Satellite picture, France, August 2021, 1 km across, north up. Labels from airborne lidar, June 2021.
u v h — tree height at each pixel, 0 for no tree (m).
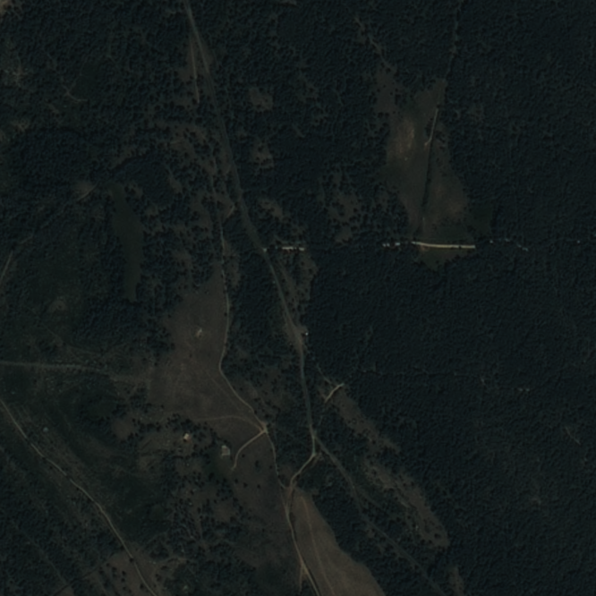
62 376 0
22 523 10
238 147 11
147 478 0
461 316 10
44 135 19
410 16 8
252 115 9
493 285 10
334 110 14
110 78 9
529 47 8
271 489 0
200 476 8
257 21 10
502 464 8
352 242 12
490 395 6
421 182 0
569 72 6
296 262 9
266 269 9
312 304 10
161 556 8
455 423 13
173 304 9
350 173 8
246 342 7
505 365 9
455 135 6
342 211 7
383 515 10
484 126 9
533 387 8
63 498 0
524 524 10
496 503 8
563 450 7
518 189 10
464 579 8
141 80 8
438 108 7
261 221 9
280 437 8
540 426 8
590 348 9
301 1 11
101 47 11
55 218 8
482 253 13
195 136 12
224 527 10
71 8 9
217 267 0
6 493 9
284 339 8
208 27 9
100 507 0
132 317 8
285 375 8
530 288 11
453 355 10
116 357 0
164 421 0
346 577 0
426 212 0
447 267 11
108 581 9
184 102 0
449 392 9
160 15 9
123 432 0
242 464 0
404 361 9
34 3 11
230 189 9
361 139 12
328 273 13
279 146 12
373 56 10
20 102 6
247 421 0
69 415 0
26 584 9
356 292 12
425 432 16
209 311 0
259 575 0
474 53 9
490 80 9
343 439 12
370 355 12
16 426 0
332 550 0
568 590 10
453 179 0
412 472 10
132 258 0
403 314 10
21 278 6
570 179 9
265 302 8
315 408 8
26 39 11
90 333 9
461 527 10
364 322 10
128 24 12
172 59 12
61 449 0
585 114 10
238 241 9
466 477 12
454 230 0
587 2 8
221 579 11
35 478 7
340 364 15
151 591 0
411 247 11
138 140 9
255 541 0
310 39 14
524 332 12
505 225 6
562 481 6
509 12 14
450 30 12
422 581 9
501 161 10
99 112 9
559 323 15
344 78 12
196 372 0
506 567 16
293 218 11
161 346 9
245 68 7
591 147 10
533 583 14
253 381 8
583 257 15
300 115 13
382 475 0
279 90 11
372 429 0
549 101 10
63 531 10
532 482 6
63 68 10
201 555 10
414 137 0
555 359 9
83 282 10
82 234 8
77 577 7
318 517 0
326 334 13
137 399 7
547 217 9
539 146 10
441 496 12
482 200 13
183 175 7
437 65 14
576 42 9
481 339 8
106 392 0
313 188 16
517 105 11
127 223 0
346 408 0
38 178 12
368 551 9
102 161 10
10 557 10
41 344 6
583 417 8
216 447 12
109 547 13
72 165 19
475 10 13
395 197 6
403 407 9
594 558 9
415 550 9
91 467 0
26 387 0
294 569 0
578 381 11
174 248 10
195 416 0
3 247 9
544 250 11
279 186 14
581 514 10
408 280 13
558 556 9
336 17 13
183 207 17
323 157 15
